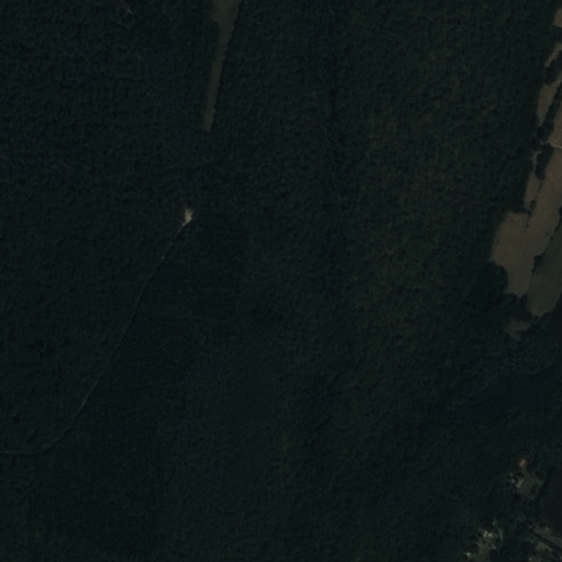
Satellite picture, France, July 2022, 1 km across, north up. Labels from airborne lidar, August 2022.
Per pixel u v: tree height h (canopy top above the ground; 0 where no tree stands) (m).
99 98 19
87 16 20
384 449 28
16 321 20
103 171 18
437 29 21
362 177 17
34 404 20
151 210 21
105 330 22
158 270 12
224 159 10
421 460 25
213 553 9
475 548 15
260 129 13
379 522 18
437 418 23
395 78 23
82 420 13
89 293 21
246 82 13
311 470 26
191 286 9
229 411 13
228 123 13
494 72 18
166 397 11
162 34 10
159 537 12
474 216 19
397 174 18
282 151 14
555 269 0
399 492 24
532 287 0
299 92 17
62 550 16
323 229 24
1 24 22
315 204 18
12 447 20
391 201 18
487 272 21
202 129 15
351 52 23
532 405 20
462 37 17
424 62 21
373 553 16
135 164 5
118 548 13
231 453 13
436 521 18
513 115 25
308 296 15
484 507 17
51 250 19
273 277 14
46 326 19
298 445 25
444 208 17
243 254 11
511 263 0
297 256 15
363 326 18
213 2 11
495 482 12
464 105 17
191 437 15
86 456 13
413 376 27
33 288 21
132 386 13
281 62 13
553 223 0
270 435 11
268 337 16
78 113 22
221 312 11
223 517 15
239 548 14
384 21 19
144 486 10
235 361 12
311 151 21
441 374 21
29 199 19
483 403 23
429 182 14
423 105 21
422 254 17
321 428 25
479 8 18
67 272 23
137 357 14
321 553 21
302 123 20
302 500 25
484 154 15
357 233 17
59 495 10
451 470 16
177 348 9
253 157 11
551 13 20
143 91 14
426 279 19
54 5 17
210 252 11
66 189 18
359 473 18
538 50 21
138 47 12
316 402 28
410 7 18
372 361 19
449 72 19
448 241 23
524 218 0
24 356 20
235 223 12
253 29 14
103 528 14
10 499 18
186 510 13
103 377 11
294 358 18
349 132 19
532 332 17
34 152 21
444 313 21
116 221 19
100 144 17
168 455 13
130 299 19
